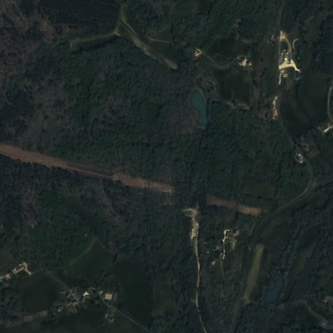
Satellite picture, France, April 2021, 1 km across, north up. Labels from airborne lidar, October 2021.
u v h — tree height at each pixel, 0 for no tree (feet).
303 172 59
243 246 50
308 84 0
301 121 0
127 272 0
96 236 47
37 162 0
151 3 50
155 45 0
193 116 49
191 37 54
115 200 53
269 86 52
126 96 45
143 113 74
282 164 63
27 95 25
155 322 83
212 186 72
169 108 83
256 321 62
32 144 40
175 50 38
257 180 21
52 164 0
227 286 56
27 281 0
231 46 0
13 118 73
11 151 0
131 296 0
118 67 45
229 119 60
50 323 37
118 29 0
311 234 0
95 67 55
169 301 0
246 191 0
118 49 73
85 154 78
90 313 0
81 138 74
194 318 96
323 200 0
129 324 0
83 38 48
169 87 71
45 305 0
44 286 0
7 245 61
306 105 0
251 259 0
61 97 63
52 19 46
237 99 0
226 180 76
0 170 70
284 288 25
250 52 45
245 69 0
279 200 72
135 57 70
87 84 43
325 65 50
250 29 83
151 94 71
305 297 57
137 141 88
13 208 79
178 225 68
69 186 61
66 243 85
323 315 32
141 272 0
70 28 32
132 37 0
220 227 22
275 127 64
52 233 58
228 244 0
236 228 52
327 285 0
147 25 33
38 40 84
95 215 30
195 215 0
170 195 43
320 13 53
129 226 58
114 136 67
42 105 23
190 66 67
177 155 93
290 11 31
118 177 0
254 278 0
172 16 58
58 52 48
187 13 56
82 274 0
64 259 64
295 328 67
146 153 92
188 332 32
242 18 49
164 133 79
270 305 51
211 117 66
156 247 85
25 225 55
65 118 37
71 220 70
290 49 0
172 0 51
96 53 58
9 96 74
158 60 0
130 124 72
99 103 47
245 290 0
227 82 0
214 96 0
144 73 70
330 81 38
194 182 82
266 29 52
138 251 66
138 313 0
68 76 61
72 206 24
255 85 20
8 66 67
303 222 72
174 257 31
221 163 82
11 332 0
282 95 0
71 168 0
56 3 53
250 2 63
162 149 92
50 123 36
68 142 45
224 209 57
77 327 0
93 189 55
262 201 68
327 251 47
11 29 37
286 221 0
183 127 63
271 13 51
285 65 0
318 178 63
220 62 0
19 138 59
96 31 50
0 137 76
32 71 71
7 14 47
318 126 53
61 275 0
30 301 0
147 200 74
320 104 0
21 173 43
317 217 65
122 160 26
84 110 40
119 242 46
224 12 74
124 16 0
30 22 49
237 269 43
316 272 52
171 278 82
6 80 45
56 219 89
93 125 44
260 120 70
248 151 58
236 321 0
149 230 65
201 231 22
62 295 0
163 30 54
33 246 69
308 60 0
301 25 56
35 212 59
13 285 48
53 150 40
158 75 67
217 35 47
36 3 24
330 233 31
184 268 62
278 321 0
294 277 0
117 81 52
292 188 68
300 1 26
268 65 0
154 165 81
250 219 68
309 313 0
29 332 0
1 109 53
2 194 77
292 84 0
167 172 65
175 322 39
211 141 74
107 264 0
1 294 18
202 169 80
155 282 61
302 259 0
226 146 74
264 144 68
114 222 50
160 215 67
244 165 79
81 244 68
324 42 75
